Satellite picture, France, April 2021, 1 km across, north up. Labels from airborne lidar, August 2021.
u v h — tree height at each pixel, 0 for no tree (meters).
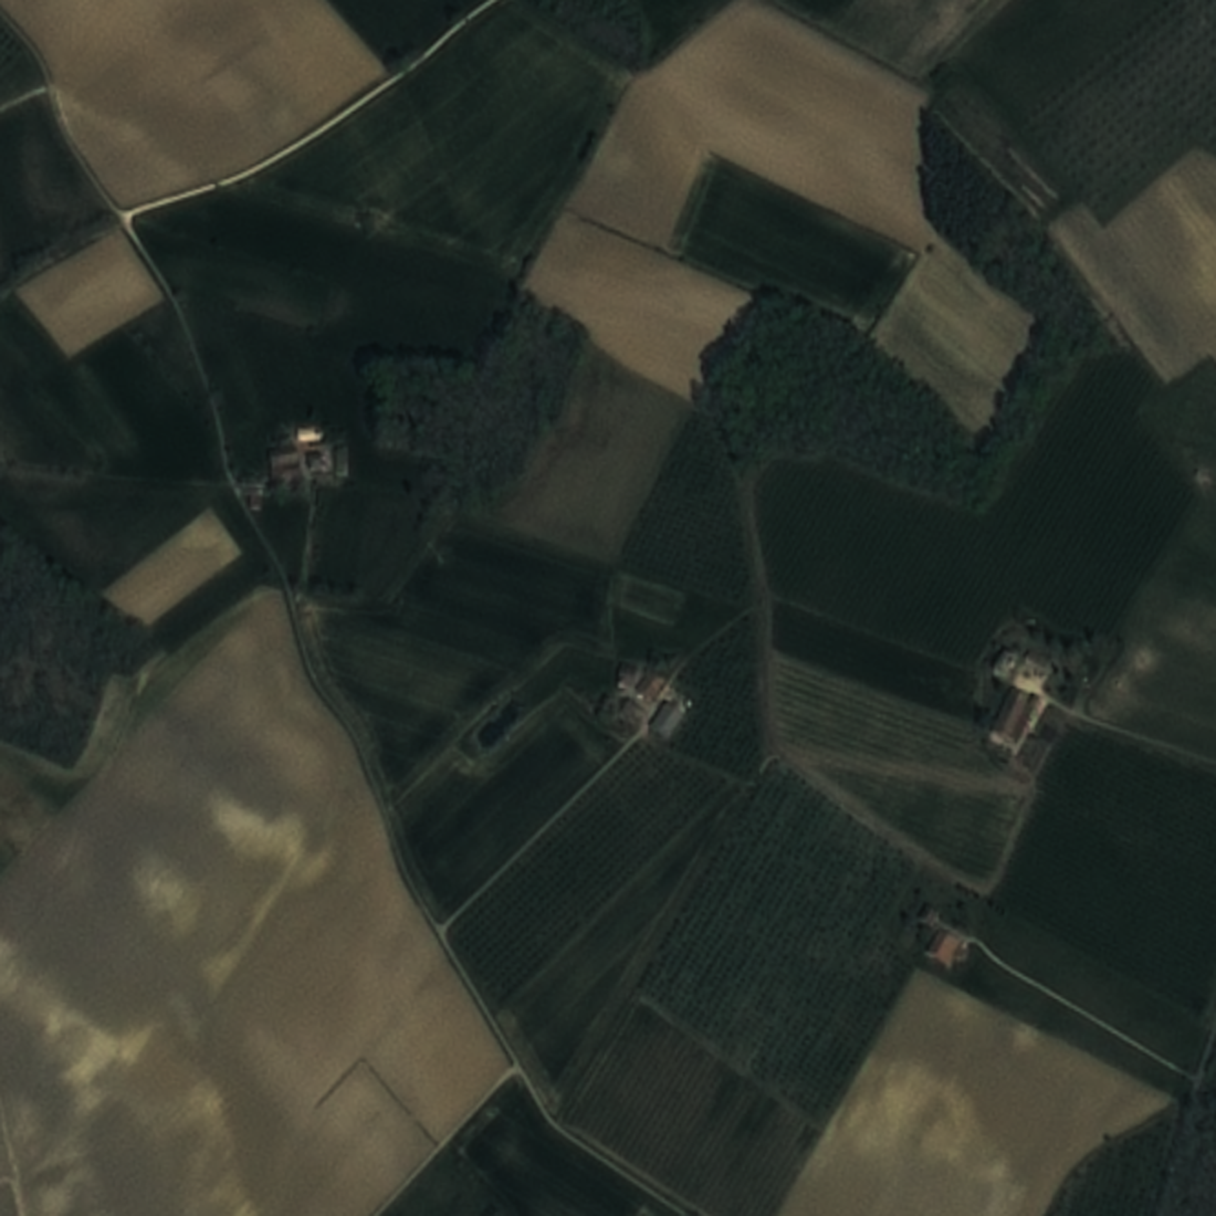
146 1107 0
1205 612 0
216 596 0
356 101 0
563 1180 0
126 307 0
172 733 0
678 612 0
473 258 0
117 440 0
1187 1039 0
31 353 0
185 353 0
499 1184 0
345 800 0
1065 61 0
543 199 0
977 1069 0
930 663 0
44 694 9
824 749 0
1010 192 6
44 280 0
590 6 9
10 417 0
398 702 0
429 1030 0
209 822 0
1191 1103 13
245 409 0
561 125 0
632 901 0
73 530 0
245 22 0
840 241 0
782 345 24
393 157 0
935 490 15
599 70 0
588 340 16
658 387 0
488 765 0
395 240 0
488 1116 0
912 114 0
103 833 0
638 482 0
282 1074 0
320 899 0
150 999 0
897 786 0
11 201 0
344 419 0
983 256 18
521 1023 0
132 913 0
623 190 0
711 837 0
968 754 0
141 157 0
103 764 0
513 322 14
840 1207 0
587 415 0
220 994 0
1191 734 0
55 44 0
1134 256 0
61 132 0
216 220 0
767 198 0
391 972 0
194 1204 0
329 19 0
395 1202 0
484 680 0
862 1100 0
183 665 0
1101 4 0
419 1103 0
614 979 0
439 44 0
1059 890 5
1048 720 0
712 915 6
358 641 0
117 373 0
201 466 0
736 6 0
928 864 0
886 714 0
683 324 0
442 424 20
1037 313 21
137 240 0
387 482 0
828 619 0
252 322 0
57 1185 0
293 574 0
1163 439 0
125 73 0
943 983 0
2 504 0
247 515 0
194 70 0
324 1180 0
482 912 6
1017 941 0
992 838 0
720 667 5
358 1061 0
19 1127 0
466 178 0
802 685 0
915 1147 0
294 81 0
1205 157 0
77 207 0
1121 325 0
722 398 25
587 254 0
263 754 0
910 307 0
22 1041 0
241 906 0
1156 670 0
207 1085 0
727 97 0
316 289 0
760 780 6
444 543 0
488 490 18
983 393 0
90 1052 0
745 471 16
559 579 0
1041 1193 0
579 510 0
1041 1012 0
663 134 0
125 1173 0
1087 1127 0
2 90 0
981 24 0
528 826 0
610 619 0
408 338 0
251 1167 0
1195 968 6
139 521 0
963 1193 0
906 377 21
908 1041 0
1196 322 0
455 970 0
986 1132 0
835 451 16
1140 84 11
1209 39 14
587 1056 0
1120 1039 0
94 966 0
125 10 0
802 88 0
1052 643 15
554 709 0
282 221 0
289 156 0
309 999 0
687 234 0
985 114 0
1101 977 0
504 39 0
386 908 0
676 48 0
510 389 22
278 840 0
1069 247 0
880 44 0
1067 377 20
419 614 0
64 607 16
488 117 0
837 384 23
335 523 0
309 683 0
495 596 0
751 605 0
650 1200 0
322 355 0
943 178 18
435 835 0
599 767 0
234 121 0
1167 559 0
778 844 5
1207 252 0
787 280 0
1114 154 10
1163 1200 16
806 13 0
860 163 0
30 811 0
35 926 0
